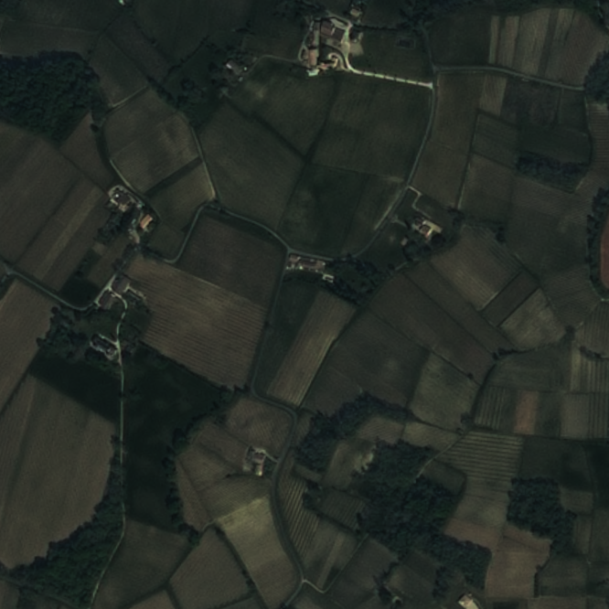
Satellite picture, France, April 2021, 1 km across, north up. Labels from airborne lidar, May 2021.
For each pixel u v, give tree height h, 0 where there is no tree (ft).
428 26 45
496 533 0
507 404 0
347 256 0
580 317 0
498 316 0
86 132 0
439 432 0
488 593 0
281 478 0
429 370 0
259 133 0
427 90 0
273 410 0
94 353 56
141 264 0
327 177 0
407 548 43
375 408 66
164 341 0
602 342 0
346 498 0
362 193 0
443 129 0
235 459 0
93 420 0
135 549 0
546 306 0
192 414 0
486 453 0
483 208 0
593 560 0
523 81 0
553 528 56
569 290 0
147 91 0
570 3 53
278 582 0
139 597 0
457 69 0
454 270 0
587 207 0
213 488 0
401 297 0
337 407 0
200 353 0
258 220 0
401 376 0
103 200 0
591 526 0
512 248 0
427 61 0
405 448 44
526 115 0
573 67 0
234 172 0
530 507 71
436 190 0
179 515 31
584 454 0
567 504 0
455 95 0
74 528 0
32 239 0
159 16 0
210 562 0
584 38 0
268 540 0
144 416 0
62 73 71
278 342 0
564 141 0
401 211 0
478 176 0
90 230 0
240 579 0
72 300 0
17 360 0
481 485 0
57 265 0
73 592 68
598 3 53
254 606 0
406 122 0
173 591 0
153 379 0
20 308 0
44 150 0
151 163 0
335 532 0
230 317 0
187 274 0
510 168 0
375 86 0
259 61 0
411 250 41
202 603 0
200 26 0
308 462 49
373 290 21
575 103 0
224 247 0
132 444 0
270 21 0
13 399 0
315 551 0
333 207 0
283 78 0
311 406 0
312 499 46
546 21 0
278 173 0
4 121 47
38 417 0
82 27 0
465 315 0
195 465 0
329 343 0
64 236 0
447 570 37
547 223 0
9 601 0
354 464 0
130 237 0
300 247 0
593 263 42
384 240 0
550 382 0
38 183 0
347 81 0
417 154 0
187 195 0
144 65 0
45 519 0
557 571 0
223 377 0
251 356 0
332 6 0
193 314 0
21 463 0
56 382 0
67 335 62
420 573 0
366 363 0
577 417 0
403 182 0
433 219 0
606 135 0
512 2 28
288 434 0
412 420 56
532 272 0
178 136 0
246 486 0
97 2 0
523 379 0
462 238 0
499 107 0
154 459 0
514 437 0
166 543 0
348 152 0
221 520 0
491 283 0
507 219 0
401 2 0
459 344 0
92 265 0
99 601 0
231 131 0
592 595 0
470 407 0
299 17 25
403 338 0
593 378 0
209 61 0
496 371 0
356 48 0
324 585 0
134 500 0
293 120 0
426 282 0
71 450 0
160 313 0
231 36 0
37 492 0
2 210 0
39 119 80
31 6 0
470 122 0
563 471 0
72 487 0
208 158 0
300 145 0
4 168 0
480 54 0
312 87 0
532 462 0
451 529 0
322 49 18
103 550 69
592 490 0
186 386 0
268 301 0
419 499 84
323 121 0
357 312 0
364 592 0
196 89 56
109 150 0
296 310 0
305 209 0
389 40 0
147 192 0
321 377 0
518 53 0
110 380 0
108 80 0
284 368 0
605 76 62
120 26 0
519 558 0
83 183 0
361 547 0
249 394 58
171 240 0
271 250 0
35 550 0
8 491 0
